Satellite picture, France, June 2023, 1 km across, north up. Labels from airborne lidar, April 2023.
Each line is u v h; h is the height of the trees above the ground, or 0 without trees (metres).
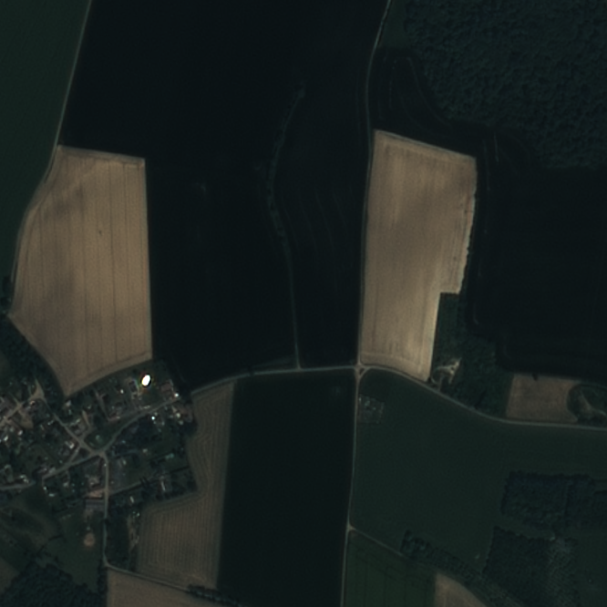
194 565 0
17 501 0
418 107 0
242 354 0
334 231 0
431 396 0
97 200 0
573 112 13
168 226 0
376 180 0
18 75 0
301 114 0
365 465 0
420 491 0
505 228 0
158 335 0
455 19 16
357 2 0
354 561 0
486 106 21
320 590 0
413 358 0
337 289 0
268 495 0
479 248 0
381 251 0
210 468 0
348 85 0
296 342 0
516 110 16
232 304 0
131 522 0
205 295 0
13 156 0
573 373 0
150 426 20
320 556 0
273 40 0
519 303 0
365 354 0
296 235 0
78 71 0
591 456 0
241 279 0
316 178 0
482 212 0
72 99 0
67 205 0
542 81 23
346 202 0
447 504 0
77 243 0
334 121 0
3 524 0
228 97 0
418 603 0
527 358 0
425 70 14
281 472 0
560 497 20
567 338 0
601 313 0
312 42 0
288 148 0
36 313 0
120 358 0
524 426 0
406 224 0
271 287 0
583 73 21
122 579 0
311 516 0
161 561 0
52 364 0
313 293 0
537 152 12
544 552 8
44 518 0
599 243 0
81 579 0
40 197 0
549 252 0
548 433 0
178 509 0
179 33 0
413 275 0
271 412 0
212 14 0
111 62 0
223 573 0
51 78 0
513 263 0
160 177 0
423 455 0
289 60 0
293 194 0
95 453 0
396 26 0
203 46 0
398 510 0
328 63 0
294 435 0
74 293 0
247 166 0
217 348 0
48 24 0
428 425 0
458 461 0
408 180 0
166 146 0
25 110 0
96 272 0
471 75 24
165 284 0
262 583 0
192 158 0
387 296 0
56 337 0
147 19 0
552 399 0
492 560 7
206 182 0
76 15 0
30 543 0
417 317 0
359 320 0
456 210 0
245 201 0
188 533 0
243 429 0
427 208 0
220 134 0
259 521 0
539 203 0
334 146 0
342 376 0
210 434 0
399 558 0
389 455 0
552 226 0
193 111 0
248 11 0
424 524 0
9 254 0
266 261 0
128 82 0
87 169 0
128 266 0
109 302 0
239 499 0
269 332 0
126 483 0
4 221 0
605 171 0
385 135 0
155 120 0
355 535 0
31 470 0
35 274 0
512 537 10
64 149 0
